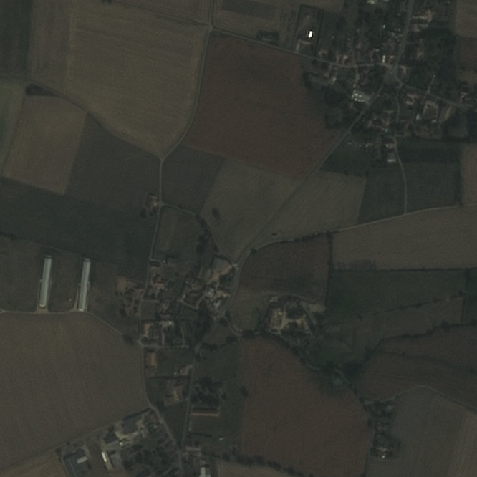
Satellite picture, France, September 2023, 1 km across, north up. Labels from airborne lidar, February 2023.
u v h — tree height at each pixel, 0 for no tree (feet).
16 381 0
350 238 0
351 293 0
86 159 0
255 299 0
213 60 0
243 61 0
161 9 0
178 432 0
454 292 0
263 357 0
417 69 29
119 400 0
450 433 0
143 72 0
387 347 0
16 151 0
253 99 0
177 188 0
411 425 0
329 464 0
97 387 0
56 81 0
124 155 0
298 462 0
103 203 0
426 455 0
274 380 0
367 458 0
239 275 0
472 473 0
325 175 0
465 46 0
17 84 0
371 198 0
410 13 0
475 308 0
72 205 0
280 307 0
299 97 0
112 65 0
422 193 0
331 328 0
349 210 0
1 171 0
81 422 0
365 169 0
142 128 0
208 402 54
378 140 0
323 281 0
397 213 0
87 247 0
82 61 0
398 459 0
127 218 0
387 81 0
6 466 0
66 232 0
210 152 0
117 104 0
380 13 31
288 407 0
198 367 0
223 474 0
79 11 0
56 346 0
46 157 0
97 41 0
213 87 0
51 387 0
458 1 0
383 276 0
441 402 0
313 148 0
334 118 0
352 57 0
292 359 0
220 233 0
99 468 0
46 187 0
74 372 0
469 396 0
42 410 0
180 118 0
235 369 0
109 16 0
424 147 0
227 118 0
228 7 0
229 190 0
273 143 0
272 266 0
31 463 0
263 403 0
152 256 0
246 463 48
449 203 0
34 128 0
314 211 0
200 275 0
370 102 0
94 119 0
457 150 0
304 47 0
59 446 0
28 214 0
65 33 0
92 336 0
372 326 0
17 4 0
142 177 0
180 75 0
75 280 0
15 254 0
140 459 35
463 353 0
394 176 0
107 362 0
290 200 0
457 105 0
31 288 0
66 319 0
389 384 0
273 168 0
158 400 0
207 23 0
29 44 0
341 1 0
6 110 0
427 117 0
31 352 0
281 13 0
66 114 0
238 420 0
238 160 0
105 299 0
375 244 0
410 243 0
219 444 0
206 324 51
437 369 0
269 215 0
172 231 0
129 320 0
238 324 0
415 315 0
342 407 0
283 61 0
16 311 0
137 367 0
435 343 0
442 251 0
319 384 0
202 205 0
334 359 0
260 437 0
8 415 0
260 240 0
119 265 0
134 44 0
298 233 0
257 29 0
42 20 0
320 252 0
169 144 0
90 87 0
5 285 0
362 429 0
